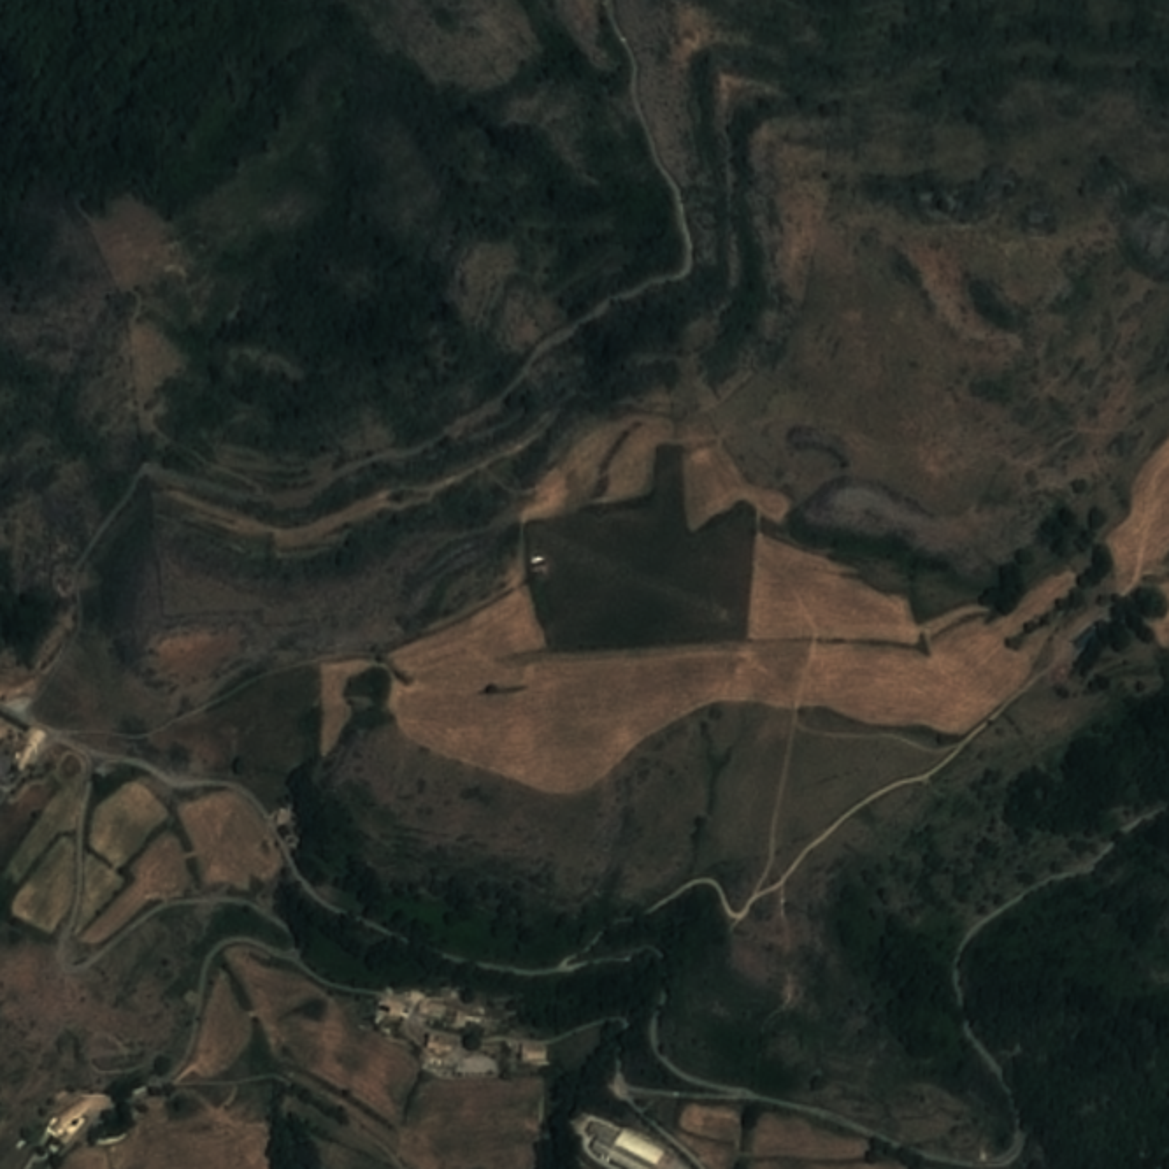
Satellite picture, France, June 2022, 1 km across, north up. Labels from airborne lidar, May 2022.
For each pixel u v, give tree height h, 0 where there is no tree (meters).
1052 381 0
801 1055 0
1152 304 0
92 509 0
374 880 12
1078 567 0
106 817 0
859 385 0
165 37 15
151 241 0
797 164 0
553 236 8
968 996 7
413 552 0
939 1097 0
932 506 0
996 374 0
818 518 0
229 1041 0
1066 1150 11
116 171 9
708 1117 0
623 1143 0
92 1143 11
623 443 0
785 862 0
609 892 0
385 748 0
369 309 10
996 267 0
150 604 0
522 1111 0
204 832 0
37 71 12
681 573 0
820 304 0
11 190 13
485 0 0
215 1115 0
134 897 0
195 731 0
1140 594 12
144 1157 0
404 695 0
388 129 0
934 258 0
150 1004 0
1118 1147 10
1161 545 0
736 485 0
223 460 0
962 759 0
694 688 0
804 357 0
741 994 0
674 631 0
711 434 0
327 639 0
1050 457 0
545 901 0
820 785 0
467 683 0
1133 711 7
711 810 0
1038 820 14
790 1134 0
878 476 0
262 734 0
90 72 16
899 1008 12
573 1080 15
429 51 0
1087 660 14
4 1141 0
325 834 10
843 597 0
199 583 0
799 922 0
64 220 0
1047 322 0
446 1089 0
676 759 0
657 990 9
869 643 0
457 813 0
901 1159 11
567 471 0
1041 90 0
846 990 0
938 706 0
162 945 0
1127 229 0
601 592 0
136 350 0
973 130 0
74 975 0
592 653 0
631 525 0
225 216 0
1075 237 0
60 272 0
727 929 0
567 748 0
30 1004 0
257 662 0
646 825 0
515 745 0
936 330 0
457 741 0
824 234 0
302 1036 0
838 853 0
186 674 0
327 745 0
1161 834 10
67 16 21
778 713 0
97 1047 0
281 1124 8
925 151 0
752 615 0
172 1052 0
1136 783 9
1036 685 0
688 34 0
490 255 0
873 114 0
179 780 0
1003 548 0
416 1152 0
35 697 0
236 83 18
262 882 0
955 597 0
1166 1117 17
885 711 0
